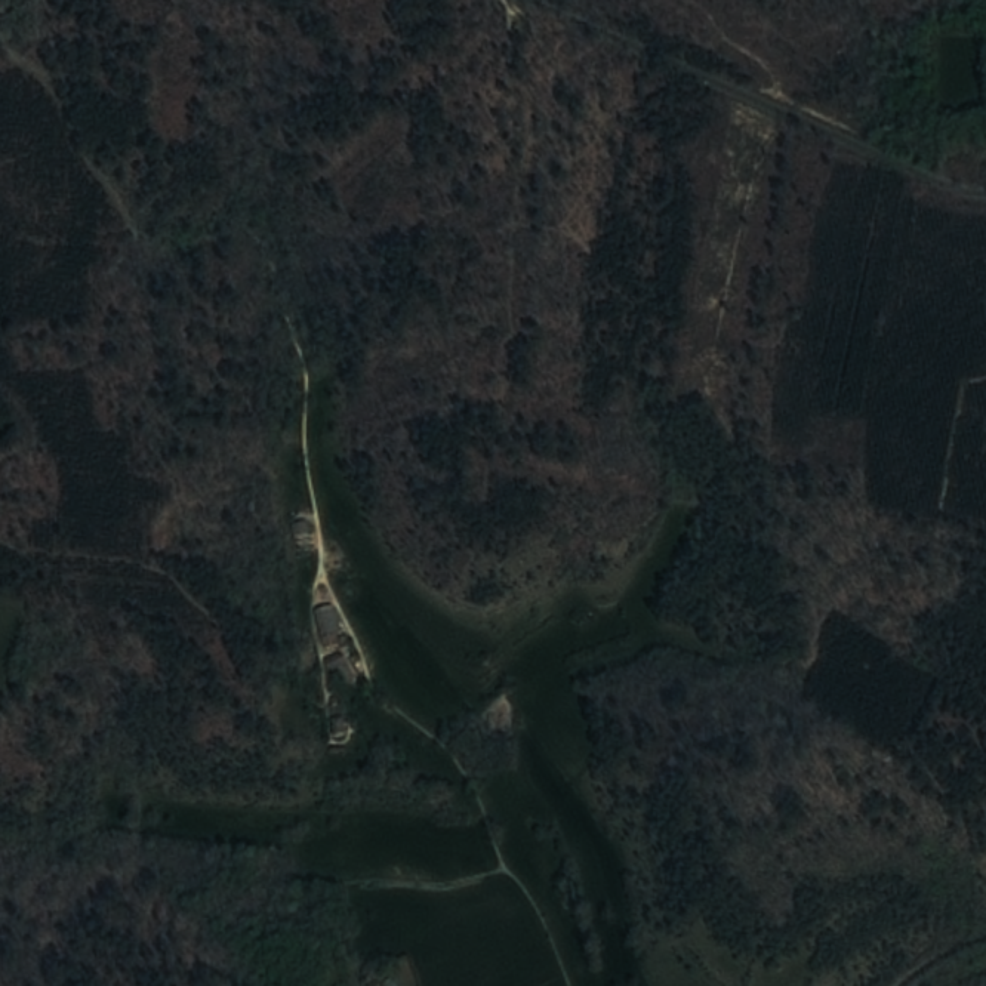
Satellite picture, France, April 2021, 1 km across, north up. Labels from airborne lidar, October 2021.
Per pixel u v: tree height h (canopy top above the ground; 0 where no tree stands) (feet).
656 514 37
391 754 71
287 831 38
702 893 62
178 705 79
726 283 0
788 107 0
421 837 0
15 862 44
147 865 32
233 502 33
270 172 42
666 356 39
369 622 0
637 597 0
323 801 23
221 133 89
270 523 64
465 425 49
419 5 0
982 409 23
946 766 54
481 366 0
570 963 0
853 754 55
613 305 43
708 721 49
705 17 0
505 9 37
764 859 59
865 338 27
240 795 63
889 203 24
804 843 45
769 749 65
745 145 0
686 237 34
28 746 67
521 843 0
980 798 60
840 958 41
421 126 0
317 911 60
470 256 26
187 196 85
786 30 0
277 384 76
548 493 43
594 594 0
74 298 26
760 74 0
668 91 35
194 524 61
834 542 50
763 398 24
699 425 70
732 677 66
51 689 56
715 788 57
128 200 26
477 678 0
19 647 54
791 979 0
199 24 46
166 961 79
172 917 32
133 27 32
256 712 23
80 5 52
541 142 49
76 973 80
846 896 40
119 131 84
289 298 87
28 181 19
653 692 46
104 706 52
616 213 40
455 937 0
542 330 58
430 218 42
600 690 40
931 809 51
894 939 20
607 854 0
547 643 0
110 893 33
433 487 34
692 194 35
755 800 62
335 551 0
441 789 58
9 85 23
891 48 34
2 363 22
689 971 25
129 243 47
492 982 0
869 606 23
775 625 76
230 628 73
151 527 53
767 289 76
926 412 26
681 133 27
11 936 42
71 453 25
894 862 45
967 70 0
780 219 66
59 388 25
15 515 25
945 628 59
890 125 39
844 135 0
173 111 0
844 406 27
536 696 0
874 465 23
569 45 38
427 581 31
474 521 41
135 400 58
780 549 51
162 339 68
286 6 84
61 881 54
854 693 27
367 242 37
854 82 26
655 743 81
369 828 0
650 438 59
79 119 76
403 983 0
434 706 0
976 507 24
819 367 19
